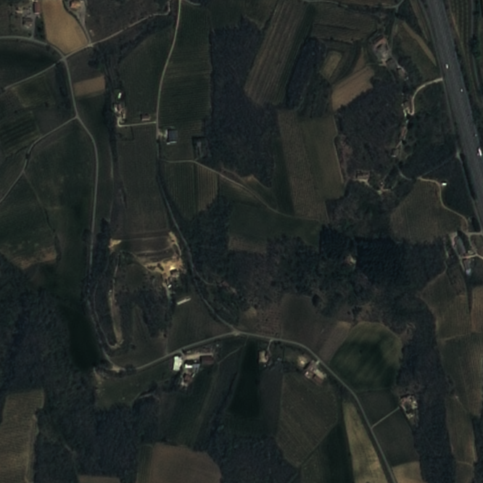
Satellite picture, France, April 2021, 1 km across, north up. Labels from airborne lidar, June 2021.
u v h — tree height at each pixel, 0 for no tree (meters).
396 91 16
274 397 0
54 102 0
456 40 10
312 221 0
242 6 0
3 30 0
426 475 6
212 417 10
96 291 16
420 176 14
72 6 0
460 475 0
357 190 19
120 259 10
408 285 22
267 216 0
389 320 9
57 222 0
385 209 12
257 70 0
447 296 0
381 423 0
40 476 12
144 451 0
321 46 9
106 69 6
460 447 0
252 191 0
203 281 11
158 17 7
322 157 0
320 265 16
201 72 0
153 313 15
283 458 13
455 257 17
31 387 15
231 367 0
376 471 0
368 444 0
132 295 10
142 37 8
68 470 16
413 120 13
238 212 0
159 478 0
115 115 8
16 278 18
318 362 0
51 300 14
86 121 0
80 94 0
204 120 8
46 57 0
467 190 13
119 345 8
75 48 0
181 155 0
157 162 13
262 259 12
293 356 0
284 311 0
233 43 15
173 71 0
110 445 22
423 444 10
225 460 17
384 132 20
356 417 0
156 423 15
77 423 22
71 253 0
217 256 6
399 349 0
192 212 0
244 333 0
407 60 8
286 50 0
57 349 27
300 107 8
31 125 0
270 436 6
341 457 0
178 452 0
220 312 10
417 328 11
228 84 12
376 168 11
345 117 17
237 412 0
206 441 9
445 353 0
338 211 11
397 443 0
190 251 13
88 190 0
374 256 26
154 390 18
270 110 15
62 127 0
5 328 31
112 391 0
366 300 16
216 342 7
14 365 24
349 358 0
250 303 10
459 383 0
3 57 0
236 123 16
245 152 20
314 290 12
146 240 0
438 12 0
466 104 0
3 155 0
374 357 0
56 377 16
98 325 14
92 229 0
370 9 14
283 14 0
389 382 0
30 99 0
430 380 11
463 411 0
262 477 17
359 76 0
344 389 11
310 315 0
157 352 0
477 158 0
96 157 0
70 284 0
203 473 0
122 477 14
